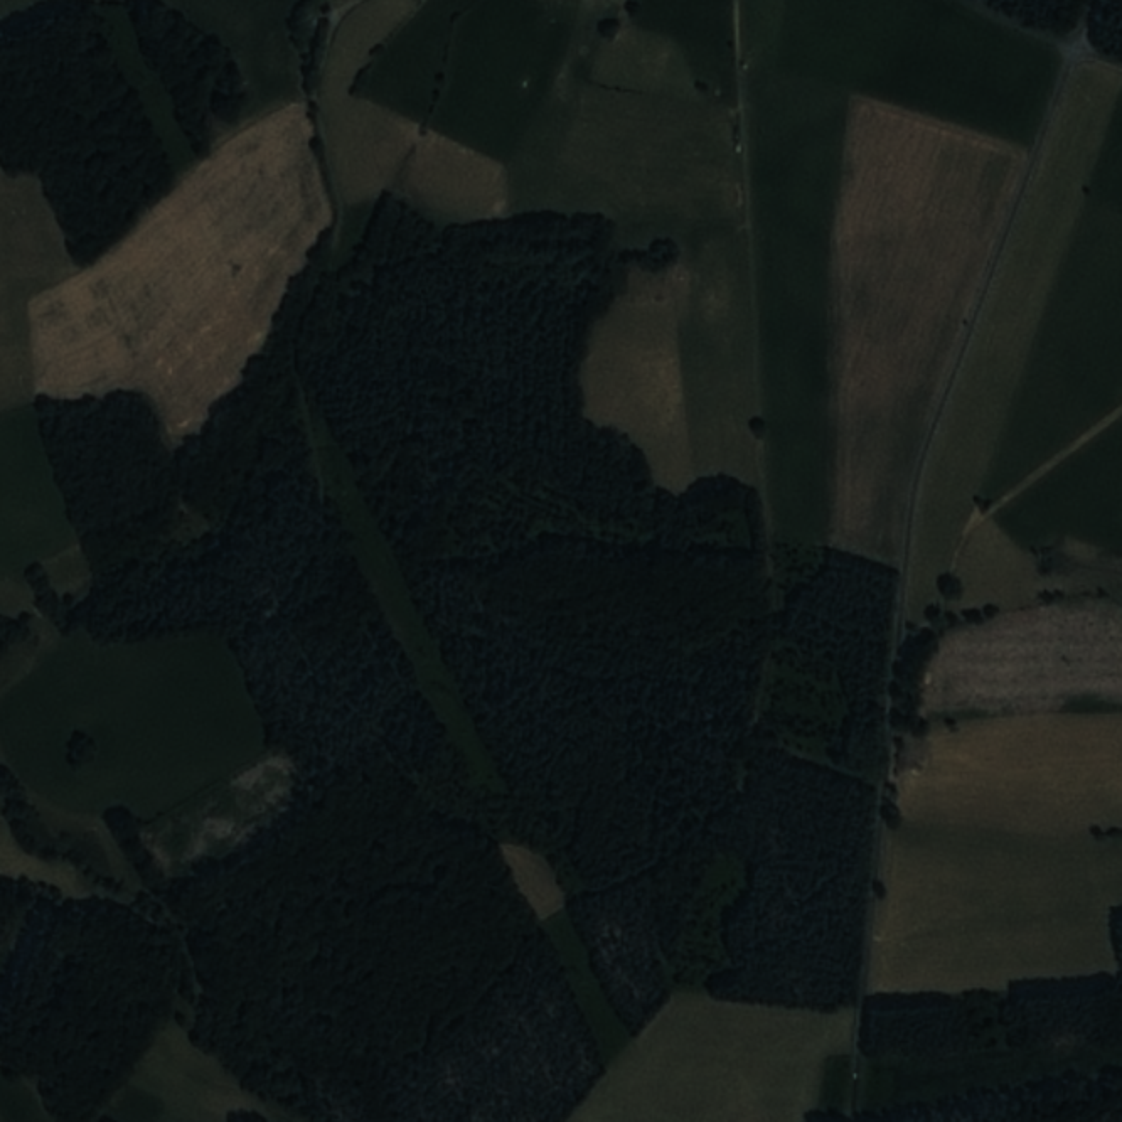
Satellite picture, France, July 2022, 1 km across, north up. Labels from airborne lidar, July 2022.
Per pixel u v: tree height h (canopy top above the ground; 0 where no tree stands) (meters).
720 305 0
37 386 0
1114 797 0
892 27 0
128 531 9
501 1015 19
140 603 20
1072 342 0
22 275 0
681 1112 0
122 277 0
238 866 20
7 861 0
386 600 0
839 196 0
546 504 6
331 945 16
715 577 26
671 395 0
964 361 0
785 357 0
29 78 28
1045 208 0
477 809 8
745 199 0
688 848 20
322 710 22
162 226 0
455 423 15
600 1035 0
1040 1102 24
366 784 24
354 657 20
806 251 0
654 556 26
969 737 0
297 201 0
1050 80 0
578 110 0
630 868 26
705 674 16
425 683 0
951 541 0
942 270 0
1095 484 0
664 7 0
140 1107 0
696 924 7
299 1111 20
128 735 0
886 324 0
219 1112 0
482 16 0
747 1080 0
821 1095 0
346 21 0
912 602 0
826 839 19
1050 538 0
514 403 17
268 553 22
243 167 0
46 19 22
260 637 24
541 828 9
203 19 0
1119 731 0
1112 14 22
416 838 23
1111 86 0
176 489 18
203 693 0
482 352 16
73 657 0
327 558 18
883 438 0
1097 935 0
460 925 23
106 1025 27
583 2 0
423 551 20
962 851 0
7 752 0
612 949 21
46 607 19
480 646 24
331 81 0
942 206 0
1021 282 0
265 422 12
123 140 20
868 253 0
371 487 8
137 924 18
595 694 24
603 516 20
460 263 13
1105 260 0
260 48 0
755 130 0
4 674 0
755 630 15
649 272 7
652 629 20
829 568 14
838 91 0
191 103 24
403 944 25
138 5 20
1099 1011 24
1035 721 0
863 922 22
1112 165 0
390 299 14
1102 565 0
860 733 22
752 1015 0
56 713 0
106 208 23
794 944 22
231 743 0
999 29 0
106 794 0
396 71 0
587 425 14
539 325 12
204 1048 13
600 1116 0
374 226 15
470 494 12
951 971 0
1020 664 0
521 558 20
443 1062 19
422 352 16
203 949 25
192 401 0
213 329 0
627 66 0
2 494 0
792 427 0
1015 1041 20
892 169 0
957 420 0
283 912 24
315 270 12
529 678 26
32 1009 17
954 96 0
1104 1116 22
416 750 21
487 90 0
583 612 20
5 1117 0
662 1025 0
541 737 18
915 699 21
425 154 0
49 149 23
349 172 0
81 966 26
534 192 0
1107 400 0
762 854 19
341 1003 20
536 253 27
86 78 28
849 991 23
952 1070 0
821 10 0
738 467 0
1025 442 0
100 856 0
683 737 27
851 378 0
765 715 6
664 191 0
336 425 19
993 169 0
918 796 0
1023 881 0
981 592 0
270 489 24
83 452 19
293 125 0
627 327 0
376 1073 18
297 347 12
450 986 23
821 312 0
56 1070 17
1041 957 0
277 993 21
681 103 0
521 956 19
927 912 0
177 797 0
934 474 0
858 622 21
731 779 6
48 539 0
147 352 0
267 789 0
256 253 0
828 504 0
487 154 0
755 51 0
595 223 14
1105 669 0
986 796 0
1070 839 0
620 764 15
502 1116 20
